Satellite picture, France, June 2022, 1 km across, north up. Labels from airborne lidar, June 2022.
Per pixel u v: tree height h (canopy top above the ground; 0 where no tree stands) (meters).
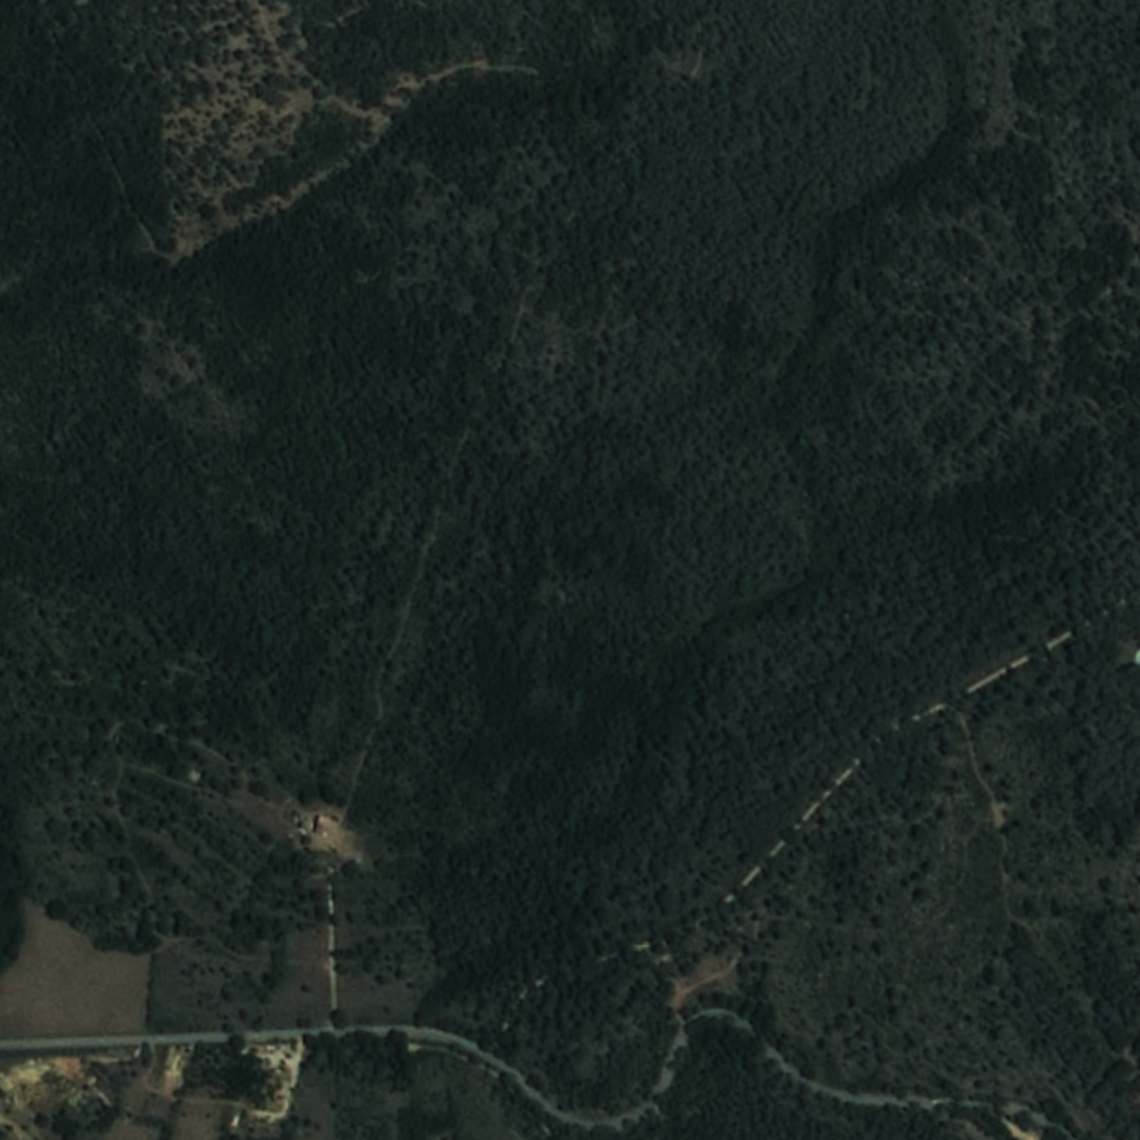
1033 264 5
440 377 16
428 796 8
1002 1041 22
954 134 14
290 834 0
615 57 6
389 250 7
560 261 17
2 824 13
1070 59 20
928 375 15
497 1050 11
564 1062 7
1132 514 14
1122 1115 17
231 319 6
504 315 7
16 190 9
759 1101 15
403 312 16
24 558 10
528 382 14
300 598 14
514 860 12
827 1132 15
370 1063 10
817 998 7
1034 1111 9
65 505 9
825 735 21
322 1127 13
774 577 10
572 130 16
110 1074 14
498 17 11
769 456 18
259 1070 7
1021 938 17
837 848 17
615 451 12
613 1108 8
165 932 11
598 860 13
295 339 6
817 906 17
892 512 16
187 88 8
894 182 12
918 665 17
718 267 21
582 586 20
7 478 7
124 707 6
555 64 12
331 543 10
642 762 13
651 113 16
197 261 12
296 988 0
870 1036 18
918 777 18
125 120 8
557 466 18
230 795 11
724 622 11
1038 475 15
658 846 14
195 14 13
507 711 14
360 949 7
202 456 12
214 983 0
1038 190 12
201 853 10
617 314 6
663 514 11
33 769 9
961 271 11
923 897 20
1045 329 21
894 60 15
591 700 18
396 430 10
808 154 16
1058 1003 18
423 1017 12
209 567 17
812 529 7
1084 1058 17
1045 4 19
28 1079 0
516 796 9
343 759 8
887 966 8
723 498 15
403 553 10
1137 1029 21
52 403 6
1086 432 12
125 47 8
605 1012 19
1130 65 15
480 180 8
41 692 9
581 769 13
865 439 11
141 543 14
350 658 14
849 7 11
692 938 20
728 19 14
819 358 7
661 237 20
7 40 13
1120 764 24
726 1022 11
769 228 17
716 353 22
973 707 22
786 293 19
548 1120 10
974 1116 10
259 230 16
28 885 8
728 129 16
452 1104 6
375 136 17
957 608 15
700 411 15
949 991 17
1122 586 19
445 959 13
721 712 10
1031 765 6
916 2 16
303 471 12
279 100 18
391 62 14
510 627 14
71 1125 11
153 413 10
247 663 8
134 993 0
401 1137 5
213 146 13
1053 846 14
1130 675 18
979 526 13
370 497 19
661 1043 12
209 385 14
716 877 17
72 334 9
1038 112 11
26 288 7
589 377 12
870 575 13
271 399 10
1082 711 18
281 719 8
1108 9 14
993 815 0
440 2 13
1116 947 21
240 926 19
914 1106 12
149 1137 0
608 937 13
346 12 12
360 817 10
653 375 20
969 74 10
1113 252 10
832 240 13
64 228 9
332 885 10
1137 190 14
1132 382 10
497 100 7
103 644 14
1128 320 17
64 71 13
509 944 13
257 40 9
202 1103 0
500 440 11
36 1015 0
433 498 8
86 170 12
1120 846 9
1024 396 14
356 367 12
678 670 11
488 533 9
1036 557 10
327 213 6
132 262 13
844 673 15
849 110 17
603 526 17
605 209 17
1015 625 20
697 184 17
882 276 10
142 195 9
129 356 10
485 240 12
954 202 13
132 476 12
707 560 18
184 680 7
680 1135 14
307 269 11
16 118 12
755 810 17
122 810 6
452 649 14
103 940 6
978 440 7
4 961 9
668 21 15
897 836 17
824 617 15
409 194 12
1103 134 22
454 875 11
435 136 9
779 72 15
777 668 14
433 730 19
